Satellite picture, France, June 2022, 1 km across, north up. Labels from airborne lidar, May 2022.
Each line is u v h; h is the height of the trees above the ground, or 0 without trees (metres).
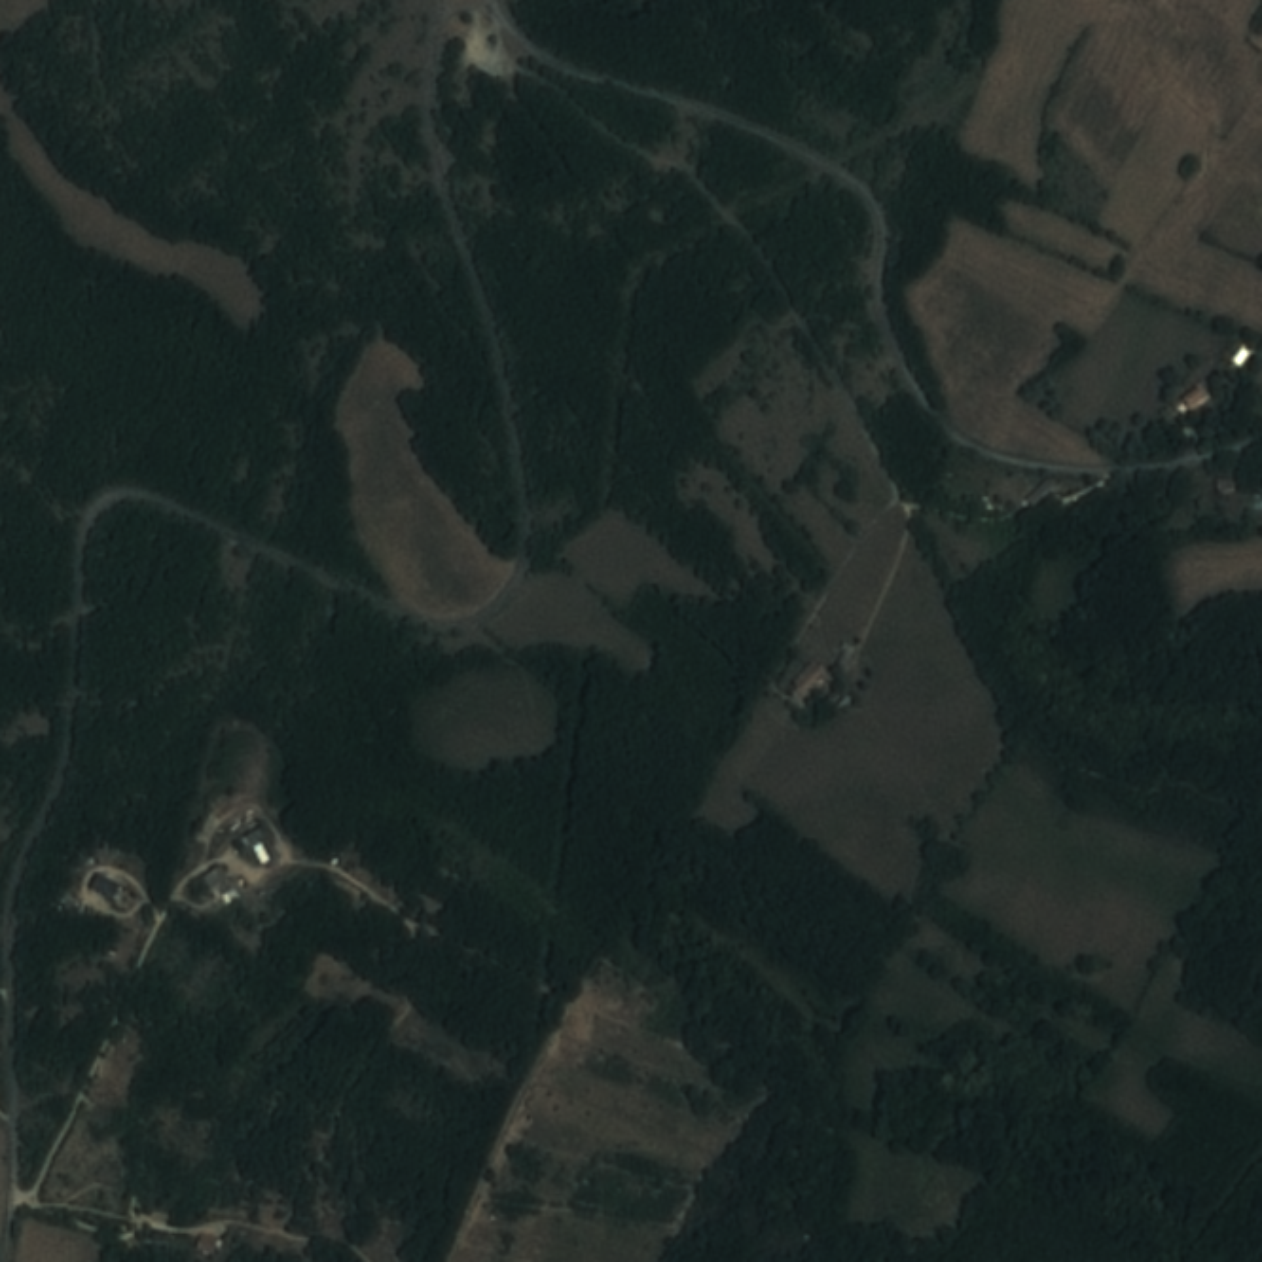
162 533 7
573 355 11
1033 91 0
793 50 6
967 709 0
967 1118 16
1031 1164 19
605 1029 0
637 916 14
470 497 9
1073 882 0
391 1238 0
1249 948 16
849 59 10
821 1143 17
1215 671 17
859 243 7
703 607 15
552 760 17
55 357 9
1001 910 0
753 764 0
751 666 19
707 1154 0
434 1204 13
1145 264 0
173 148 7
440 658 8
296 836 10
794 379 0
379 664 10
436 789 14
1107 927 0
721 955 11
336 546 11
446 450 14
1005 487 0
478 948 12
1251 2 0
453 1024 12
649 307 12
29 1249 0
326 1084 7
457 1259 0
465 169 6
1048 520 21
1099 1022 9
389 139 7
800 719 10
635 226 11
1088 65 0
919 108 0
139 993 9
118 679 9
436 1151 13
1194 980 15
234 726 0
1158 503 10
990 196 8
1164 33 0
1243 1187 7
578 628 0
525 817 8
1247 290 0
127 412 9
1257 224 0
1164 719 15
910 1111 15
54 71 8
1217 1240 7
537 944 15
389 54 0
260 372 8
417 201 6
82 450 9
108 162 7
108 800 8
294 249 7
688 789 16
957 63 10
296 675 7
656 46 15
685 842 16
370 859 15
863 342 6
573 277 9
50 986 7
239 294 0
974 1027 9
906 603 0
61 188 0
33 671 11
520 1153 7
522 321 11
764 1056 15
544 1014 13
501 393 10
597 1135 0
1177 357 0
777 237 12
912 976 0
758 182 11
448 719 0
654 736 10
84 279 8
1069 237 0
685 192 9
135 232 0
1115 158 0
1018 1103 17
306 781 15
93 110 7
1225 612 15
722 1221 9
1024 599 17
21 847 6
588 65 12
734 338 9
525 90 15
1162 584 19
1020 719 13
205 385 7
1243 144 0
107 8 7
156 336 11
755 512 6
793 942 17
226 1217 0
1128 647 20
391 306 11
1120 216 0
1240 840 20
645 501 8
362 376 0
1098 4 0
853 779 0
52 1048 11
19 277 8
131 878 0
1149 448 15
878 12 12
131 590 9
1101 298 0
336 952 17
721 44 7
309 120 6
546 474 9
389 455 0
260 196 7
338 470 12
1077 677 12
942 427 13
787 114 8
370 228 6
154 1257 9
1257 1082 0
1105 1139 23
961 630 13
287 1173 11
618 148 11
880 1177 0
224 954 9
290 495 7
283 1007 13
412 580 0
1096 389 0
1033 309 0
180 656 7
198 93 6
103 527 8
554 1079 0
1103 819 0
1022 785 0
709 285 10
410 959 12
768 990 15
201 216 12
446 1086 6
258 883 0
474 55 0
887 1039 0
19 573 8
